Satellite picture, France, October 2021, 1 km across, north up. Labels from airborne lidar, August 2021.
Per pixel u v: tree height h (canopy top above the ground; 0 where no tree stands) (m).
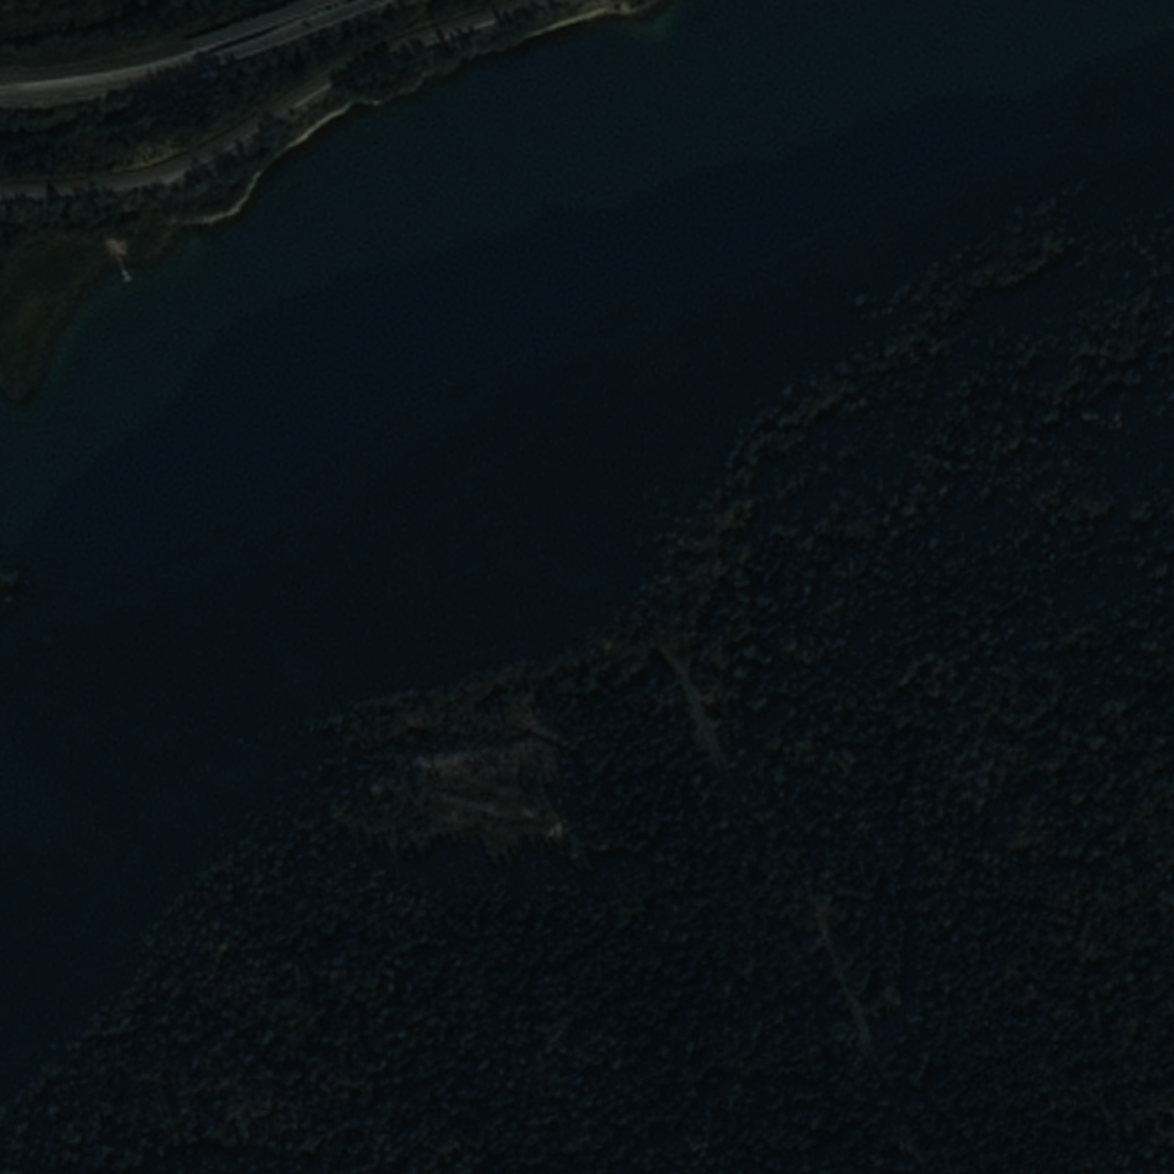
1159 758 28
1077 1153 26
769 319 20
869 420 25
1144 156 22
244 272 0
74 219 8
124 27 14
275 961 14
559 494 22
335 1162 9
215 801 25
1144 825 28
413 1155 23
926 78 0
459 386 10
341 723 13
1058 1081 25
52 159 26
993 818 20
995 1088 26
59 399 0
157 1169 26
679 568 14
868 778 29
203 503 0
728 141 0
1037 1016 20
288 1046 17
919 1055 28
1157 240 30
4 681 23
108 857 19
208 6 14
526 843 0
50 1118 20
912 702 15
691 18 0
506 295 0
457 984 28
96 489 0
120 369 0
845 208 0
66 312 0
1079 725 25
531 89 0
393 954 18
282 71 28
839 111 0
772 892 22
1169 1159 7
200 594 12
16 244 22
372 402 0
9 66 0
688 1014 36
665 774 14
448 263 0
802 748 20
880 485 24
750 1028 27
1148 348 17
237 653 12
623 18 0
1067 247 26
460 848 0
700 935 21
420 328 0
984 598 21
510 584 16
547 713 27
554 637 19
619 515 16
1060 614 26
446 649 10
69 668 22
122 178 0
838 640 19
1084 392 30
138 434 0
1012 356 28
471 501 13
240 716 26
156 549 16
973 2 0
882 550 24
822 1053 13
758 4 0
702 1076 7
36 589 15
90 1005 15
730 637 35
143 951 12
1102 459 12
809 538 24
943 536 27
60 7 20
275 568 19
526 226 0
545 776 11
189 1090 23
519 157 0
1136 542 13
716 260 0
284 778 22
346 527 8
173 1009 23
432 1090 24
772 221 0
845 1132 26
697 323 15
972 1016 24
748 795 25
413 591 12
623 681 21
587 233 0
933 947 23
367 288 0
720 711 18
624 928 8
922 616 23
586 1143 25
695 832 23
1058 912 21
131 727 25
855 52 0
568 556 15
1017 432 25
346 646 13
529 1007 27
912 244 7
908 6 0
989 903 9
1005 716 24
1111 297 20
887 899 22
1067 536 10
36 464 0
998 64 0
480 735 18
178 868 22
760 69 0
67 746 19
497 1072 24
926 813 15
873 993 29
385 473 9
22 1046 19
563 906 24
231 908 21
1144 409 24
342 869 22
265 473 0
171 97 23
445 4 21
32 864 12
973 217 14
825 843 22
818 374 20
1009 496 21
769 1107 30
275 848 28
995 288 28
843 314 15
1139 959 29
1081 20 0
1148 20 0
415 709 21
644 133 0
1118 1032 23
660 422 14
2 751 17
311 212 0
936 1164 26
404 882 25
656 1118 28
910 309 17
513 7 0
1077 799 27
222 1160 16
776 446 36
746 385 11
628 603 13
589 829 30
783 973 29
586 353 7
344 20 17
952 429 26
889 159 0
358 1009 7
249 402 0
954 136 0
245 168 16
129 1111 23
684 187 0
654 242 0
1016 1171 32
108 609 10
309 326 0
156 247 0
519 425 23
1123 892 25
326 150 0
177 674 25
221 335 0
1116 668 24
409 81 19
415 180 0
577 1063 26
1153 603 22
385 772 10
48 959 23
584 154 0
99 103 7
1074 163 7
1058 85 0
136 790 19
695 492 11
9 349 0
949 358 28
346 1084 19
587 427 18
